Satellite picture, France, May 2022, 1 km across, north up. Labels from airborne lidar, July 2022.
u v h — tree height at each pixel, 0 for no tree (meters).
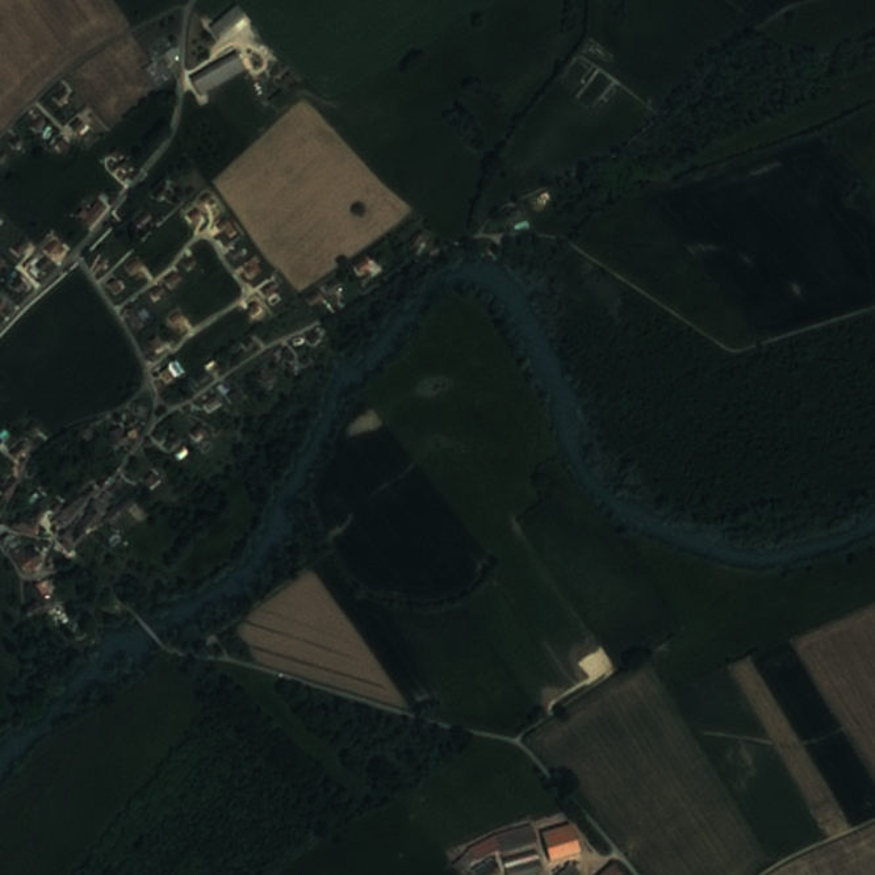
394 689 0
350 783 0
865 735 0
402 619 0
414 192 0
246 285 0
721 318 0
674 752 0
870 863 0
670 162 21
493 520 0
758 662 0
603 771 0
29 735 0
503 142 7
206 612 12
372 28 0
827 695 0
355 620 0
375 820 0
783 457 5
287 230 0
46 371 0
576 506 0
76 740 0
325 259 0
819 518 8
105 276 0
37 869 0
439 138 0
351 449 0
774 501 11
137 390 7
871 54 18
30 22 0
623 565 0
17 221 0
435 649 0
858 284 0
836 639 0
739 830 0
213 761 10
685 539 0
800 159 0
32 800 0
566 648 0
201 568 0
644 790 0
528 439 0
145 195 12
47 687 30
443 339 0
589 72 0
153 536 0
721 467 9
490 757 0
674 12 0
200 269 0
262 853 9
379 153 0
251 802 11
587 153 0
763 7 0
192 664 20
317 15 0
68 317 0
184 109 0
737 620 0
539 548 0
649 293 0
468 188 0
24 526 0
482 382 0
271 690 0
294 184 0
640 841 0
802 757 0
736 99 22
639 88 0
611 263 0
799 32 0
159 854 9
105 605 26
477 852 0
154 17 0
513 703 0
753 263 0
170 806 6
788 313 0
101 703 11
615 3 14
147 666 19
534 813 0
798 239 0
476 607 0
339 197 0
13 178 11
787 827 0
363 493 0
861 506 21
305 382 16
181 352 0
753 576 0
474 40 0
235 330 0
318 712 22
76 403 0
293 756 24
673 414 9
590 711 0
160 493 0
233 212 0
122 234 9
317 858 0
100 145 0
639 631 0
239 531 0
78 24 0
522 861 0
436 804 0
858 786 0
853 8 0
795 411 6
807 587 0
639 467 7
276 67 0
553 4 0
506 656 0
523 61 0
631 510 0
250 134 0
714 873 0
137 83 0
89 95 0
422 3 0
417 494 0
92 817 0
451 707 0
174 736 0
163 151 0
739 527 9
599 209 13
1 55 0
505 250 11
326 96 0
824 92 10
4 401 0
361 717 20
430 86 0
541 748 0
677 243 0
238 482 0
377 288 17
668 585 0
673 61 0
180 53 0
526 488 0
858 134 0
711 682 0
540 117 0
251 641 0
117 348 0
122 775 0
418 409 0
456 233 0
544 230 0
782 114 22
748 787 0
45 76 0
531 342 0
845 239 0
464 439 0
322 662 0
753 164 0
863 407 6
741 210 0
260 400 12
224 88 0
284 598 0
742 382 7
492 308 12
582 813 13
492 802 0
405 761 18
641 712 0
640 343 6
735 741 0
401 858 0
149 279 0
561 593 0
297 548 14
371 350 0
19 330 0
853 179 0
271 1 0
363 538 0
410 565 0
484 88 9
